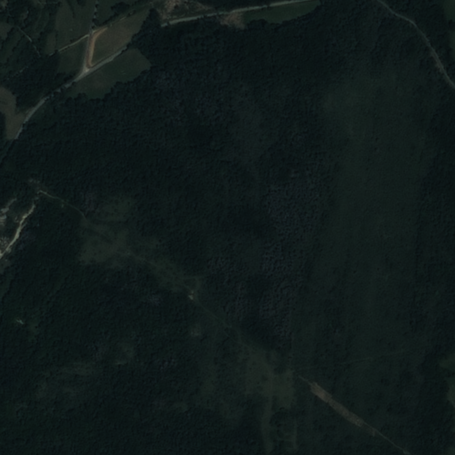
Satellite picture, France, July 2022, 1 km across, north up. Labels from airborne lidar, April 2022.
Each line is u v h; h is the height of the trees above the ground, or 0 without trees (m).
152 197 11
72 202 8
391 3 15
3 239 0
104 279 8
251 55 16
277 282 10
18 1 14
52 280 11
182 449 17
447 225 6
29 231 12
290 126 16
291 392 0
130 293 15
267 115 6
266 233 9
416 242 8
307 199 12
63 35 0
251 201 7
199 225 8
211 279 10
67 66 0
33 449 13
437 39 19
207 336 7
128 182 18
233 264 10
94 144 16
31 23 14
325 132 7
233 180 15
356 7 6
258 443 9
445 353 20
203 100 22
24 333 15
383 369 5
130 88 12
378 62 10
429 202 18
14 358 19
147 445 12
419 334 7
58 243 9
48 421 8
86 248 0
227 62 8
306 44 19
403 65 7
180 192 9
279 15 0
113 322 13
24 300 13
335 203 6
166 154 12
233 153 6
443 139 18
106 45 0
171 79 24
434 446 10
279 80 8
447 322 14
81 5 9
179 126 14
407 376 11
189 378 7
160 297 19
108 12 0
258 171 5
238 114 6
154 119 9
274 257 11
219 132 19
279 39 17
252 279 13
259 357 0
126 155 17
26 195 7
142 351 13
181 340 10
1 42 11
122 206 0
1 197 14
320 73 15
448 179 19
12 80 13
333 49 15
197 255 12
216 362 7
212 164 10
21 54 7
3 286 9
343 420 5
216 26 24
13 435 18
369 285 5
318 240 10
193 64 21
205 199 9
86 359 8
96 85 0
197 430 11
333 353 6
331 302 10
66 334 14
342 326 7
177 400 8
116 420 15
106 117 10
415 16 16
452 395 0
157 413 12
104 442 12
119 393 14
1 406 13
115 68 0
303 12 0
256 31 20
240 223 10
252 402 9
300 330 8
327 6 21
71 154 18
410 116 8
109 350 16
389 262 8
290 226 14
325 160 5
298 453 6
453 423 8
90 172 13
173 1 0
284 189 12
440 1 24
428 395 7
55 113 13
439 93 6
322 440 6
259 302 12
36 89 19
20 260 8
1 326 15
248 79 8
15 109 0
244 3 25
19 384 19
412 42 17
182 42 27
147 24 17
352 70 7
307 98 11
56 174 13
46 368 10
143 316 16
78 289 12
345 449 6
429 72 7
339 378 7
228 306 9
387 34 12
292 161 17
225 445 16
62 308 10
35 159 17
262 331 12
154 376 10
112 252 0
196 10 0
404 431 6
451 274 11
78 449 14
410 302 7
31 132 11
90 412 10
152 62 10
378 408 11
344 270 6
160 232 12
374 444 6
